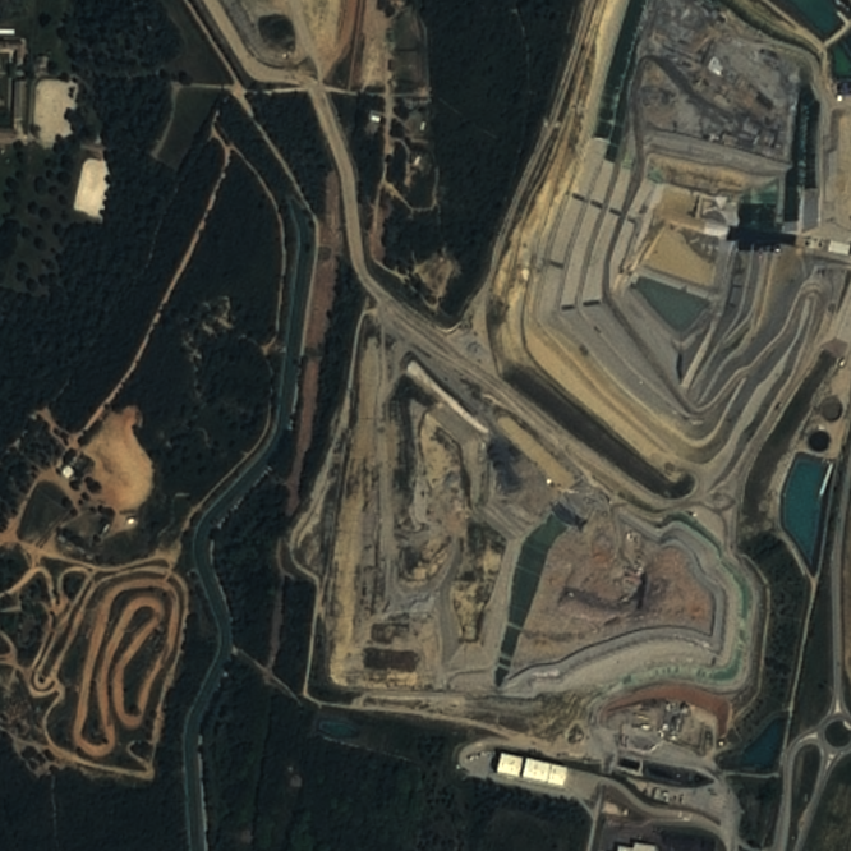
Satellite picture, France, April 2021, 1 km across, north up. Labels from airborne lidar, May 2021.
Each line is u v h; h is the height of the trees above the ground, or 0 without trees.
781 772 0
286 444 12
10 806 7
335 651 0
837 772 0
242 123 12
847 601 0
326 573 0
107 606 0
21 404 6
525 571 0
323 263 0
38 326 7
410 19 0
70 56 7
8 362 7
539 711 0
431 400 0
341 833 6
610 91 0
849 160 0
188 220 6
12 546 0
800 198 0
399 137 7
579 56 0
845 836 0
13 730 0
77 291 13
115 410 8
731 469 0
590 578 0
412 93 0
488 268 0
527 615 0
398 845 7
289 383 0
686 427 0
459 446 0
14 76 13
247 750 9
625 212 0
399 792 12
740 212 0
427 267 0
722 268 0
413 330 0
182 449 11
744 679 0
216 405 10
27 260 0
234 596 9
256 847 7
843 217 0
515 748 0
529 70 6
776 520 0
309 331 0
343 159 0
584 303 0
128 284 7
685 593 0
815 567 0
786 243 0
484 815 6
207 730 14
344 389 0
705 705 0
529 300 0
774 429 0
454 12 5
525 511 0
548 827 0
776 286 0
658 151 0
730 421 0
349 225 0
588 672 0
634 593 0
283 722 7
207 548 0
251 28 0
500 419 0
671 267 0
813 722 0
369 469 0
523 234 0
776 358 0
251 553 17
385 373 0
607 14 0
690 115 0
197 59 0
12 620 8
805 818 0
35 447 7
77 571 0
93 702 0
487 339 0
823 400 0
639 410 0
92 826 6
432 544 0
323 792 6
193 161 7
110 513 6
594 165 0
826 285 0
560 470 0
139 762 0
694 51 0
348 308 0
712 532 0
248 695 9
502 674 0
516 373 0
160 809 7
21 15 11
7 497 7
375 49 0
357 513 0
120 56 15
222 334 11
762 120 0
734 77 0
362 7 0
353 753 6
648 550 0
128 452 0
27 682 0
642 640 0
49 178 6
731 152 0
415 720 0
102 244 12
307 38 0
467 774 0
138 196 8
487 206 6
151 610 0
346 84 0
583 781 0
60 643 0
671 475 0
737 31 0
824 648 0
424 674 0
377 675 0
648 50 0
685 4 0
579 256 0
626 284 0
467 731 0
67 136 0
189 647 7
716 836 0
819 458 0
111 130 17
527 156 8
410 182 0
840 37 0
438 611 0
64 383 7
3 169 0
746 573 0
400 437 0
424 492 0
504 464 0
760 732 0
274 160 13
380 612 0
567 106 0
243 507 7
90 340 13
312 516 0
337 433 0
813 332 0
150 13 17
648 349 0
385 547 0
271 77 0
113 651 0
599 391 0
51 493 0
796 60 0
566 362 0
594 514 0
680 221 0
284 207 7
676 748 0
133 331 7
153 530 10
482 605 0
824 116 0
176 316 11
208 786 14
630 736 0
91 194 0
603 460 0
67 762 0
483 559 0
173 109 10
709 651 0
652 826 0
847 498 0
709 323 0
